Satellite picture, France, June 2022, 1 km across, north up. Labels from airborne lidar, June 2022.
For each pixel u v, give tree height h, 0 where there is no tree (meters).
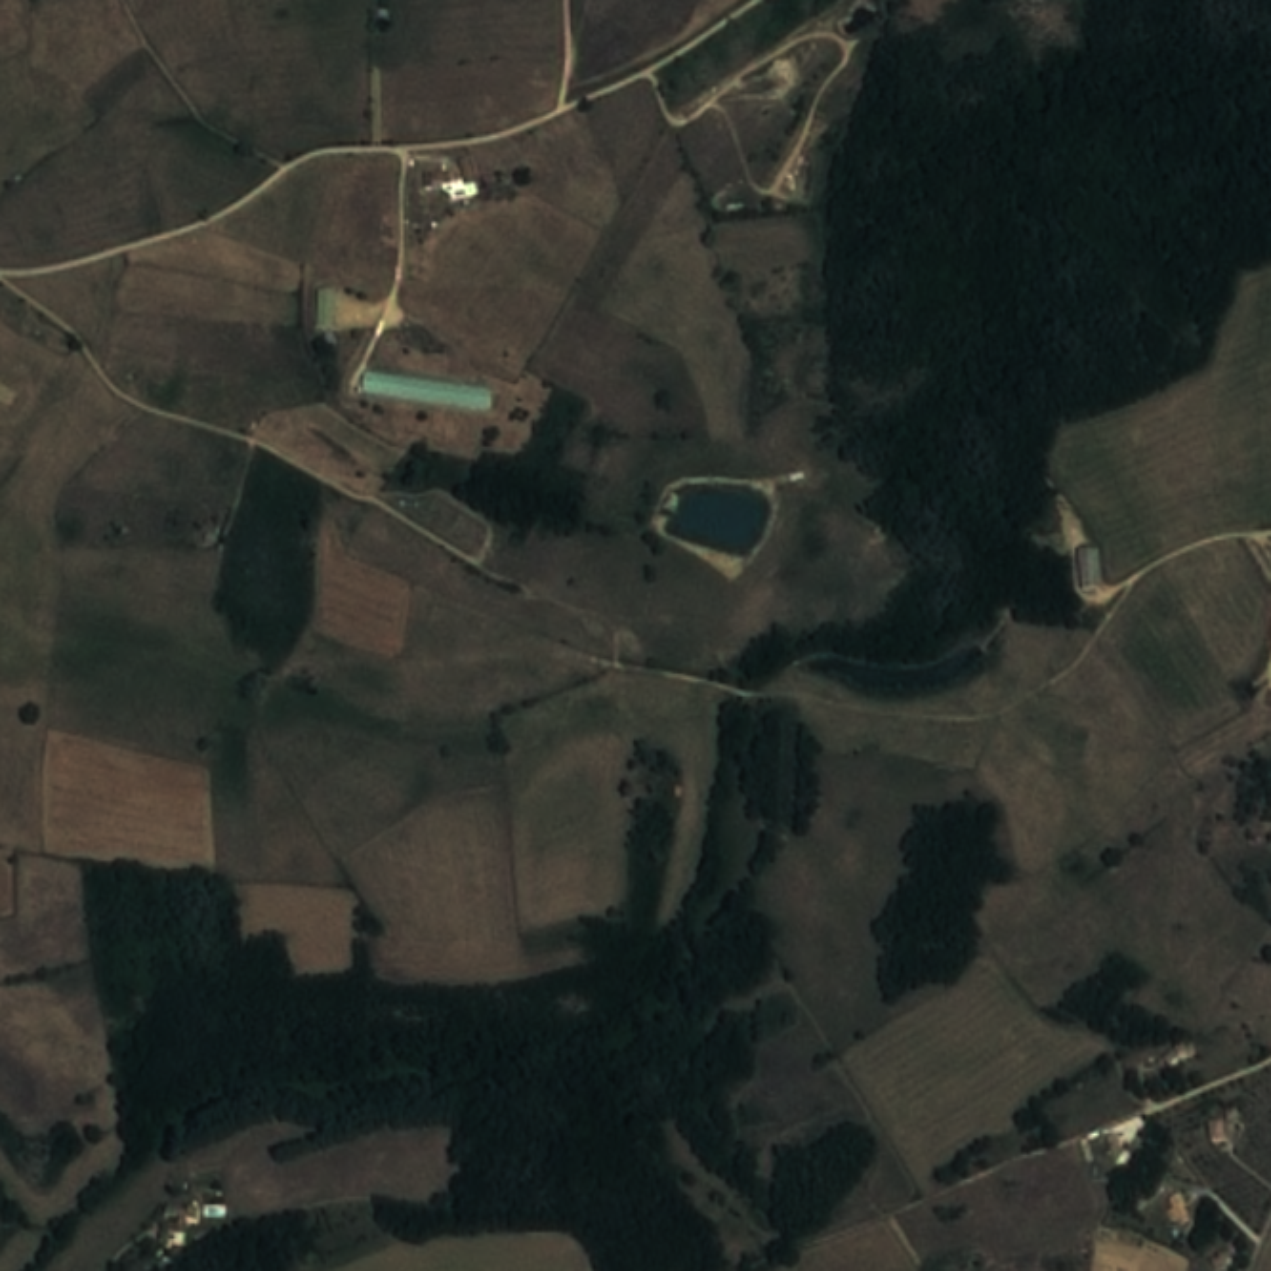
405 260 0
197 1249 13
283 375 0
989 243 17
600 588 0
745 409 0
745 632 0
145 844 0
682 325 0
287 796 0
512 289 0
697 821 0
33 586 0
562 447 7
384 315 0
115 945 8
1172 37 11
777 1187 12
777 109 0
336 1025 9
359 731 0
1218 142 22
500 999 10
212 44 0
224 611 7
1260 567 0
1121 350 17
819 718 0
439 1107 24
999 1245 0
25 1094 0
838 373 9
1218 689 0
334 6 0
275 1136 0
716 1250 16
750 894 12
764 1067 0
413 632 0
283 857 0
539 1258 0
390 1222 12
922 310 12
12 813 0
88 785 0
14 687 0
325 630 0
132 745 0
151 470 0
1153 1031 11
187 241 0
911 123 11
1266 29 20
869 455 16
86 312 0
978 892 13
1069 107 23
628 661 0
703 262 0
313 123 0
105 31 0
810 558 0
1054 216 10
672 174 0
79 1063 0
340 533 0
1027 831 0
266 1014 14
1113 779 0
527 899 0
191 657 0
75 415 0
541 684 0
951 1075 0
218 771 0
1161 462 0
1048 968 0
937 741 0
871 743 0
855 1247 0
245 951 7
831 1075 0
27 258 0
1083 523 0
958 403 22
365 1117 22
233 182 0
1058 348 18
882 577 0
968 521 20
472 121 0
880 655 16
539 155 0
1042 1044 0
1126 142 16
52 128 0
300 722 0
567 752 0
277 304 0
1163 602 0
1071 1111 0
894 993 10
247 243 0
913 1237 0
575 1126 11
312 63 0
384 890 0
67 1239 16
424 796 0
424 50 0
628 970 8
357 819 0
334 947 0
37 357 0
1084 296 16
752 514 0
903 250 15
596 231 0
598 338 0
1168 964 0
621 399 0
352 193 0
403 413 0
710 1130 10
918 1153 0
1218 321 11
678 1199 20
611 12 0
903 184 20
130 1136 17
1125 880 0
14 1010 0
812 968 0
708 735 0
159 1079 20
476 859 0
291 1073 25
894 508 10
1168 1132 8
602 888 0
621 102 0
